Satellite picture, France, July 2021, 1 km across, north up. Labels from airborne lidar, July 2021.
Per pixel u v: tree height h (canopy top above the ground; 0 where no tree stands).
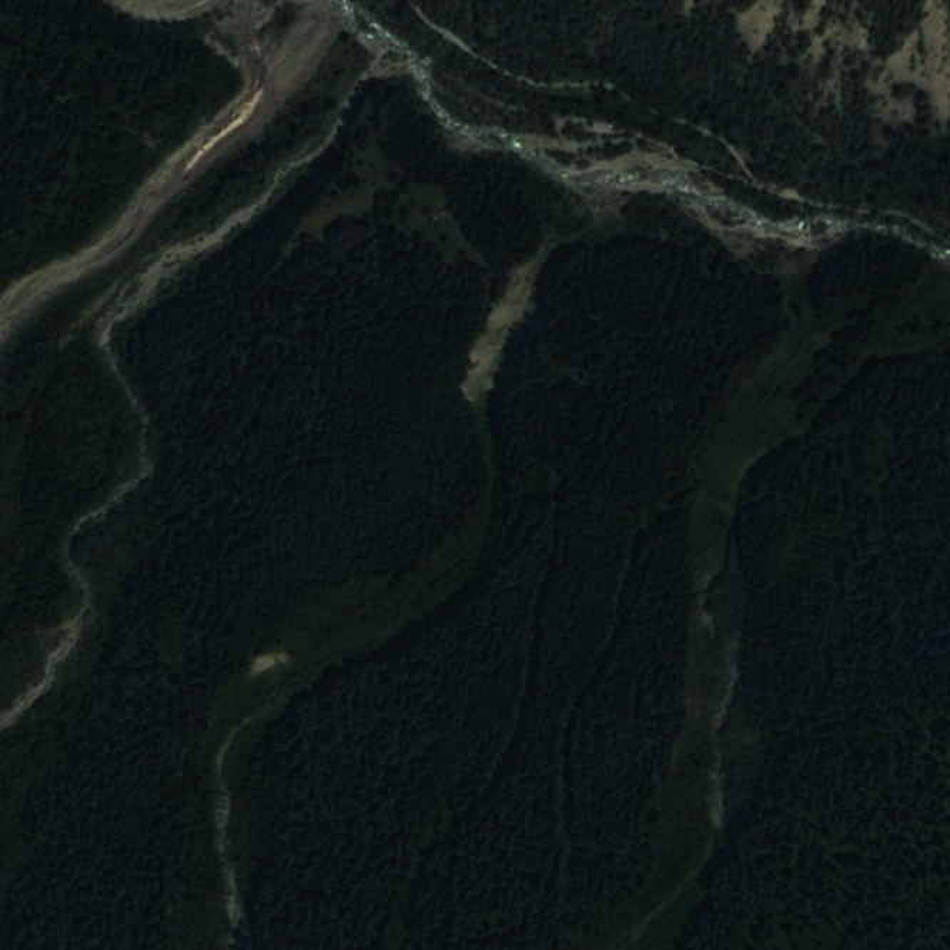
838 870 25
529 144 0
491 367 0
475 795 19
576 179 0
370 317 26
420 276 32
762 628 12
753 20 0
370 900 30
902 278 16
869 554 11
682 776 6
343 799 29
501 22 10
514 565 29
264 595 24
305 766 29
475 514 24
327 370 24
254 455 26
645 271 28
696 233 11
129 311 0
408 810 29
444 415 24
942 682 22
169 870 29
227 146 0
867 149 22
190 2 0
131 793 26
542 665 21
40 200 19
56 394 9
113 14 14
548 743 28
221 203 13
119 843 8
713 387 25
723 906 23
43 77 21
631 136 11
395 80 9
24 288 0
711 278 8
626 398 25
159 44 19
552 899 13
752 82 10
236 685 0
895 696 27
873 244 20
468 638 25
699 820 5
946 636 7
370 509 22
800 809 26
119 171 7
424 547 31
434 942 20
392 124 23
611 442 21
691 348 23
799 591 17
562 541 23
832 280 23
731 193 11
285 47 0
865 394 20
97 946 10
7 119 29
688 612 25
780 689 15
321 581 23
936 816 28
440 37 7
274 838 11
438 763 19
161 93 8
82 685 9
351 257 14
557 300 25
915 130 29
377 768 28
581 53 11
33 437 8
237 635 26
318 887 8
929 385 24
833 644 7
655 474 22
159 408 7
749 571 16
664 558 26
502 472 8
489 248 21
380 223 11
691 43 6
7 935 5
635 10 10
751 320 22
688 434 22
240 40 0
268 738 8
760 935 28
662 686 17
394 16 15
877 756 8
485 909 29
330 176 23
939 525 10
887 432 11
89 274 0
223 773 0
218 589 27
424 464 28
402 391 24
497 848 26
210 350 22
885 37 10
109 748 13
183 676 17
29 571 9
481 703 26
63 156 23
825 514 13
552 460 22
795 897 25
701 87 10
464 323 26
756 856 7
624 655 24
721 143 7
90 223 12
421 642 33
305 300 17
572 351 15
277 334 25
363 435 21
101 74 8
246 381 20
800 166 12
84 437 12
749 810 8
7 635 7
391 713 29
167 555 14
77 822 14
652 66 7
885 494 12
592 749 19
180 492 14
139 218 0
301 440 26
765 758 6
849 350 16
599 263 25
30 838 11
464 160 9
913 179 7
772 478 22
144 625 8
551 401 29
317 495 27
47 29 13
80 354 7
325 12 0
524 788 21
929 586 12
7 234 14
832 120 6
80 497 11
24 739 8
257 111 0
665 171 0
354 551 18
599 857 14
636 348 17
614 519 15
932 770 20
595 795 16
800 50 6
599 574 24
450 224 0
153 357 20
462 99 8
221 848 0
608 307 28
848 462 14
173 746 23
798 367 0
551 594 26
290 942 25
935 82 0
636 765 13
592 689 11
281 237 22
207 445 20
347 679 29
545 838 26
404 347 22
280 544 26
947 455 13
